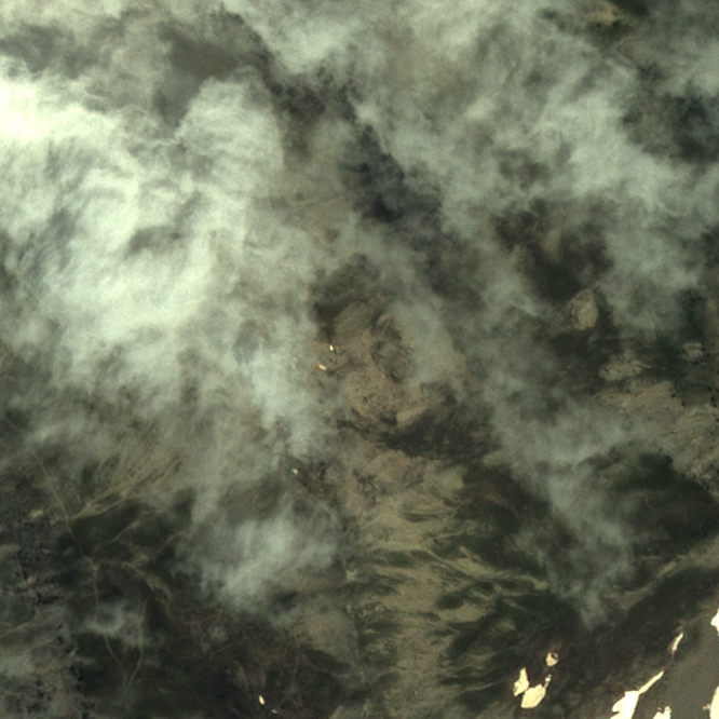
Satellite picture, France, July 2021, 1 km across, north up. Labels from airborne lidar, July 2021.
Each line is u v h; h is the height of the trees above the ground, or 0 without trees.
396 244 0
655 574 0
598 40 0
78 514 0
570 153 0
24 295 0
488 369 0
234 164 0
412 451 0
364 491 0
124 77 0
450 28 0
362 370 0
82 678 7
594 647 0
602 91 0
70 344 0
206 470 0
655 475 0
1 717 0
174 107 0
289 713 0
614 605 0
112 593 0
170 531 0
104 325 0
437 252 0
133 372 0
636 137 0
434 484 0
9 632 0
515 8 0
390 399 0
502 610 0
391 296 0
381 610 0
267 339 0
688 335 0
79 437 0
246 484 0
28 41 0
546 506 0
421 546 0
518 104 0
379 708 0
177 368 0
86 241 0
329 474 0
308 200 0
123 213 0
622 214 0
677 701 0
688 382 0
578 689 0
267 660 0
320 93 0
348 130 0
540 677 0
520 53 0
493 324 0
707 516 0
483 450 0
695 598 0
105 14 0
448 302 0
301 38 0
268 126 0
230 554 0
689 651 0
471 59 0
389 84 0
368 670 0
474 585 0
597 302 0
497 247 0
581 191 0
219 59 0
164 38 0
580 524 0
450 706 0
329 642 0
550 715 0
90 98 0
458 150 0
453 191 0
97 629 0
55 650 0
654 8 0
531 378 0
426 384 0
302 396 0
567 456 0
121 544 0
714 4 0
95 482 0
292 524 0
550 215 0
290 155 0
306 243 0
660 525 0
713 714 0
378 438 0
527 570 0
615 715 0
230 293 0
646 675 0
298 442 0
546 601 0
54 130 0
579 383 0
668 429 0
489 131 0
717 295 0
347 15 0
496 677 0
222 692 0
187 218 0
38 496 0
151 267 0
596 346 0
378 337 0
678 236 0
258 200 0
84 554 0
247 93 0
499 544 0
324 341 0
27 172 0
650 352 0
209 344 0
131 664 0
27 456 0
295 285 0
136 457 0
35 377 0
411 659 0
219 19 0
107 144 0
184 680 0
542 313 0
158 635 0
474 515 0
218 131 0
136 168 0
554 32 0
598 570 0
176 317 0
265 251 0
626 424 0
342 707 0
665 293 0
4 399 0
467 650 0
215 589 0
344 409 0
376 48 0
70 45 0
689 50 0
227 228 0
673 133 0
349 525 0
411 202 0
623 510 0
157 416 0
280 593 0
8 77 0
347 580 0
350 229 0
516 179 0
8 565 0
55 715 0
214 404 0
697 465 0
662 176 0
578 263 0
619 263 0
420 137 0
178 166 0
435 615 0
